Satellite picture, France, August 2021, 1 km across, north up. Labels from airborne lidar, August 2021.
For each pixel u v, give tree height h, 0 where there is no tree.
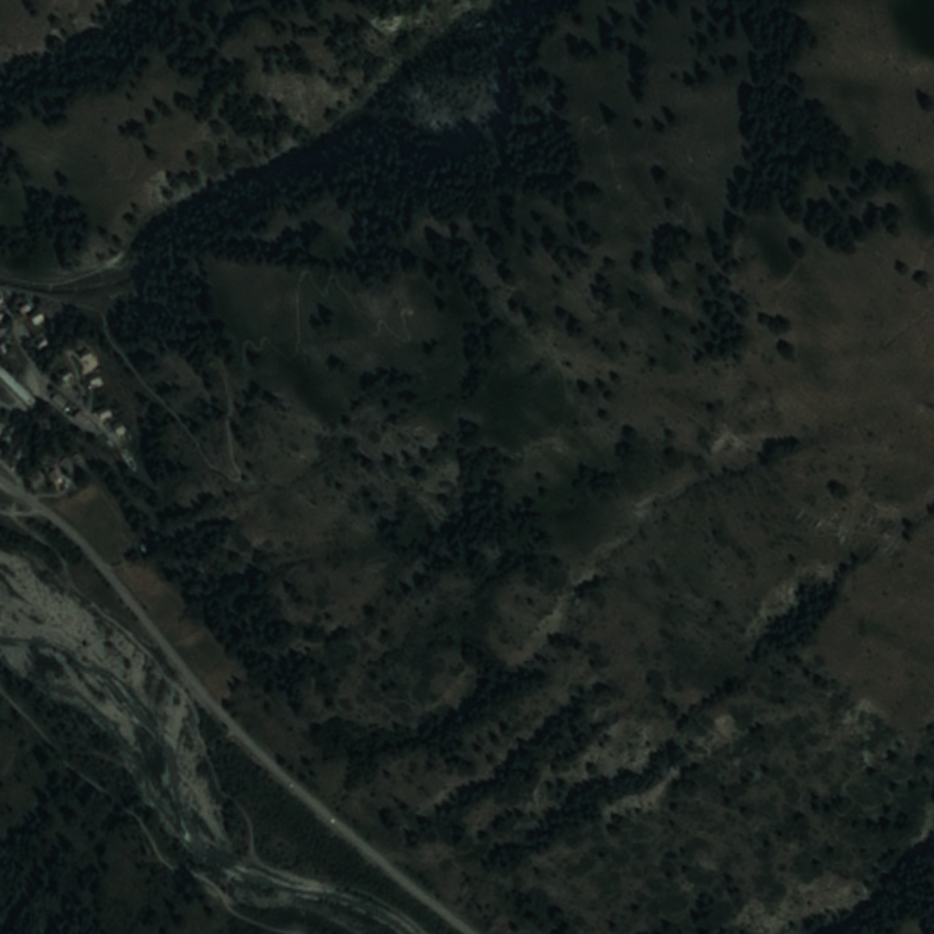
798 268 0
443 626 7
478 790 17
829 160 26
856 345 0
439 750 7
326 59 0
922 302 0
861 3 0
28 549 12
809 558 0
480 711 21
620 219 0
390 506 0
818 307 0
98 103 0
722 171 0
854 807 0
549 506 0
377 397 9
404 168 15
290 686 19
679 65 0
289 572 0
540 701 0
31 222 19
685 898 0
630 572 0
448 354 0
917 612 0
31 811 0
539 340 0
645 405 0
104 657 0
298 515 0
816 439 0
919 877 22
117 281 0
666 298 0
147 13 22
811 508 0
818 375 0
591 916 0
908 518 0
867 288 0
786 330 18
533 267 0
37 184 0
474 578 7
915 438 0
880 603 0
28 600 0
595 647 0
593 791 24
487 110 0
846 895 0
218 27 19
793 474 0
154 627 0
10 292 0
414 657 0
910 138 0
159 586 0
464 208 26
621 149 0
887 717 0
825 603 16
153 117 16
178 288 21
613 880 0
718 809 0
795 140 21
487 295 25
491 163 26
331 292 0
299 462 0
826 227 26
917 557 0
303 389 0
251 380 0
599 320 0
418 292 0
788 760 0
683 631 0
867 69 0
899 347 0
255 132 23
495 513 15
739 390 0
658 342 0
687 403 0
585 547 0
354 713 0
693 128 0
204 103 13
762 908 0
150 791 0
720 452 0
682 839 0
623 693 0
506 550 7
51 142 0
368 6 12
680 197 0
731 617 0
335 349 0
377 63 19
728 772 0
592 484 9
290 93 0
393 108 6
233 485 0
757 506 0
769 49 23
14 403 0
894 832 15
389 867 0
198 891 27
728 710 0
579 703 15
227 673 0
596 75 0
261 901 0
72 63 15
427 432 0
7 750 0
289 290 0
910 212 0
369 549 0
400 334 0
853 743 0
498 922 0
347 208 20
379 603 0
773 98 21
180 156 0
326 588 0
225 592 23
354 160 20
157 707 0
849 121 0
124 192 0
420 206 18
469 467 22
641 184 0
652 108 0
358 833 0
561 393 0
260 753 0
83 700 0
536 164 25
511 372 0
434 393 0
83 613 0
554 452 0
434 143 11
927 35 0
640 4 0
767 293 0
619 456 11
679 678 0
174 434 0
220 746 9
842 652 0
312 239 19
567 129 24
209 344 14
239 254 16
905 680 0
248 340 0
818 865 14
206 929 0
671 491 0
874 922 21
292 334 0
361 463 8
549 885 0
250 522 0
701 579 0
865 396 0
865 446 0
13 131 21
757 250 0
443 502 14
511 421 0
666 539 0
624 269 0
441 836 0
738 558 0
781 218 0
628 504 0
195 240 14
